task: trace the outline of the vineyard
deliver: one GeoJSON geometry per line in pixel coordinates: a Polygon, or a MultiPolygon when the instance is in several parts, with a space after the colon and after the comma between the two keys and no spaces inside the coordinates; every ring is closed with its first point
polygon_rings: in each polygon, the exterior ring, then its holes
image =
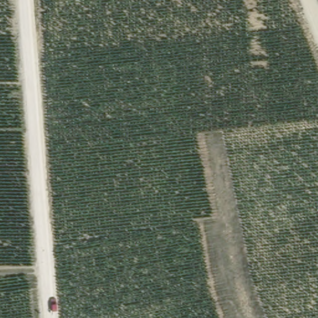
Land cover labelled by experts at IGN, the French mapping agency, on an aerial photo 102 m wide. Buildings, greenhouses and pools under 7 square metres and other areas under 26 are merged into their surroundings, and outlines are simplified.
{"type": "Polygon", "coordinates": [[[37,50],[40,55],[53,257],[57,296],[60,299],[58,318],[318,318],[318,46],[314,42],[312,32],[309,31],[308,22],[303,19],[304,0],[32,0],[37,50]]]}
{"type": "Polygon", "coordinates": [[[29,169],[24,149],[24,92],[17,70],[20,63],[17,43],[20,25],[19,15],[14,10],[17,0],[0,0],[0,318],[40,318],[37,277],[32,266],[36,261],[36,253],[32,229],[34,219],[30,215],[30,189],[27,184],[29,169]]]}

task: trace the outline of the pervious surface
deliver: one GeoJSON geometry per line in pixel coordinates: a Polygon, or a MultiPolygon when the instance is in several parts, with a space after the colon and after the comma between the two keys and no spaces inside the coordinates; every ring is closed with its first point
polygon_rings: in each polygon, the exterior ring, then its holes
{"type": "Polygon", "coordinates": [[[312,32],[314,42],[318,46],[318,0],[304,0],[303,19],[308,22],[309,31],[312,32]]]}
{"type": "Polygon", "coordinates": [[[34,219],[32,229],[36,253],[36,261],[32,266],[37,277],[40,318],[58,318],[60,299],[57,296],[53,257],[40,55],[37,50],[32,0],[17,0],[14,10],[19,15],[20,25],[17,43],[20,63],[17,70],[24,92],[24,149],[29,169],[27,184],[30,189],[30,215],[34,219]]]}

